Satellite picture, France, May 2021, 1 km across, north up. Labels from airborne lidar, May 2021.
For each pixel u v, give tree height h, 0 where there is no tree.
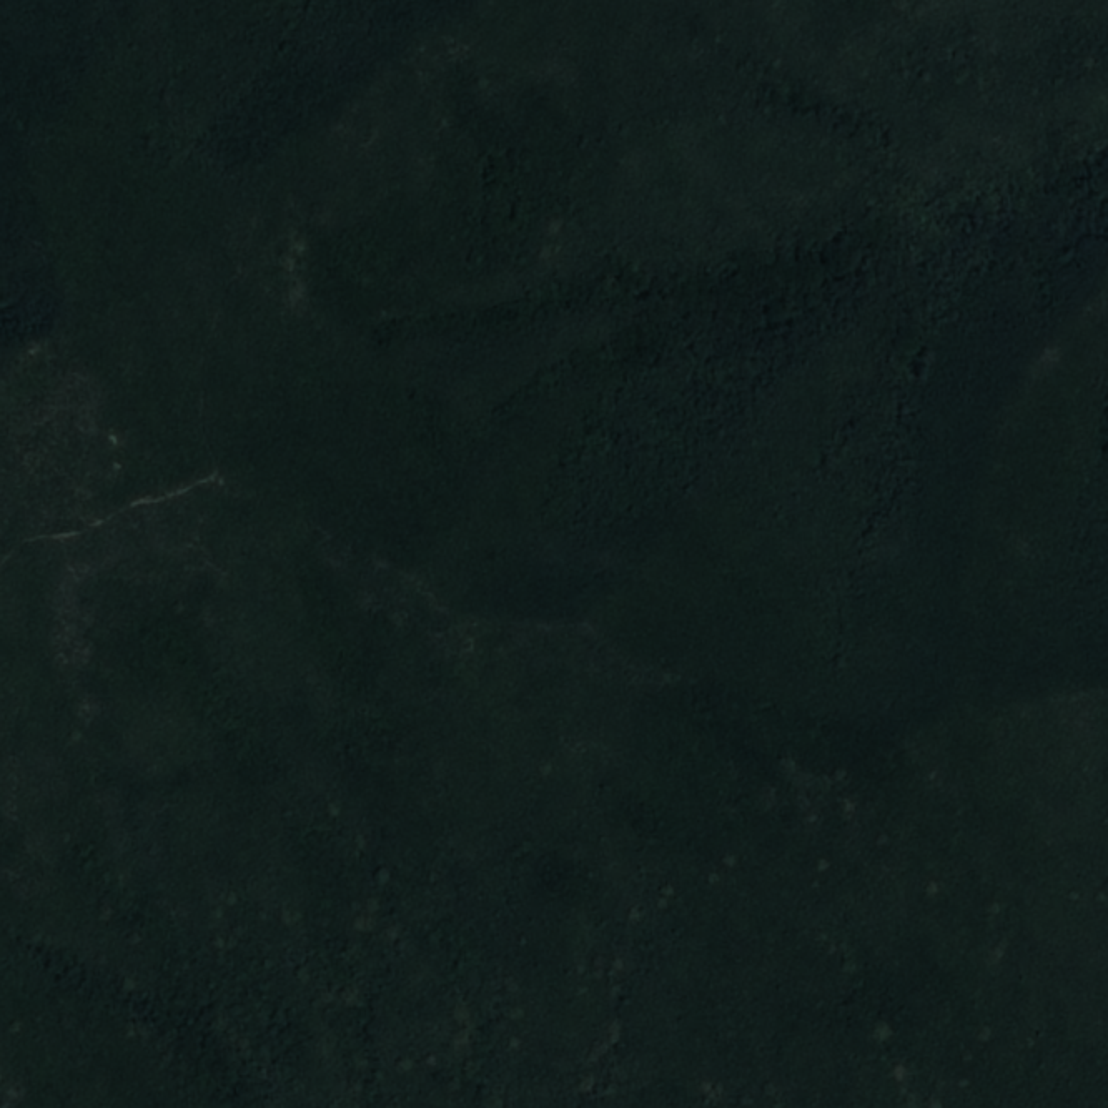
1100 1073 10
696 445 7
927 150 8
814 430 9
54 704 6
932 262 15
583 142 17
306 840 6
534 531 6
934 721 6
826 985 7
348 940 12
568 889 8
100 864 9
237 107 7
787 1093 7
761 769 7
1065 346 6
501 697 6
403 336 8
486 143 13
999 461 6
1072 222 9
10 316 7
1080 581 7
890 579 6
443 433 8
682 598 6
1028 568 6
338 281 6
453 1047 9
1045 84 11
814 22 9
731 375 9
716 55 8
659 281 19
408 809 6
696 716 5
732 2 8
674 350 11
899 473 13
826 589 10
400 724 7
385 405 7
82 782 6
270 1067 6
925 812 6
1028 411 6
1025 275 7
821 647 7
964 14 6
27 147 7
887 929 6
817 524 6
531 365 6
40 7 7
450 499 7
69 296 6
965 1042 6
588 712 5
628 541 5
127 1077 8
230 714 9
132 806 8
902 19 9
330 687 6
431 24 6
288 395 6
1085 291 7
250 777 8
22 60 7
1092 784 6
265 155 8
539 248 12
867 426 9
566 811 7
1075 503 7
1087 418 7
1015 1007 7
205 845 7
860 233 22
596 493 7
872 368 9
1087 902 8
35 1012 8
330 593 6
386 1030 5
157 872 6
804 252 24
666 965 8
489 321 15
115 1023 7
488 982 14
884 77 7
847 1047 6
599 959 15
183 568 9
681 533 6
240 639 6
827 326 7
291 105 7
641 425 6
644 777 6
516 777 6
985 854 6
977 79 13
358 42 8
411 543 6
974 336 7
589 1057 13
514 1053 8
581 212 12
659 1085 10
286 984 8
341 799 7
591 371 7
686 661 5
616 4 7
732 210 8
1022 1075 7
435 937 11
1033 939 7
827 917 9
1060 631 8
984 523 6
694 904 7
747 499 7
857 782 5
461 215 9
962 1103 7
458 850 9
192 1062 15
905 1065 10
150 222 5
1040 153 7
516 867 11
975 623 7
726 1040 7
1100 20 8
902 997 8
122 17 9
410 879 7
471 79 7
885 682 6
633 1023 8
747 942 5
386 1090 7
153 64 6
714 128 8
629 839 6
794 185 6
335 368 6
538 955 7
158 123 8
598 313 7
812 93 11
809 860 7
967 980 6
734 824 6
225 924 8
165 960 11
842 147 8
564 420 5
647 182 7
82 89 6
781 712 7
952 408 7
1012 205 18
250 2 8
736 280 24
